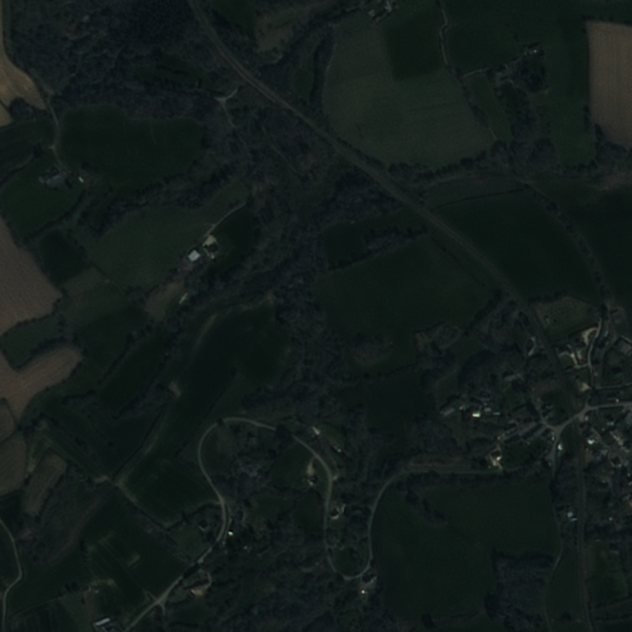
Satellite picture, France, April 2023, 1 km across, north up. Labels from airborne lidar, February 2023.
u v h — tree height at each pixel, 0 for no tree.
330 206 13
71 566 0
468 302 0
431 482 20
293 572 10
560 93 0
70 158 0
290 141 15
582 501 0
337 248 0
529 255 0
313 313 16
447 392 0
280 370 0
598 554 0
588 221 0
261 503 0
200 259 0
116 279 0
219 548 14
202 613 0
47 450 0
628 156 8
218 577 8
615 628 0
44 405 0
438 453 19
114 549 0
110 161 0
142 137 0
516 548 0
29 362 0
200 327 0
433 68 0
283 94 15
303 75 0
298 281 18
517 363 12
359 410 7
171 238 0
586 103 0
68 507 0
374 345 10
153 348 0
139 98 23
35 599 0
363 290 0
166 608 9
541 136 0
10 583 0
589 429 9
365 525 7
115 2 17
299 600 17
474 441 7
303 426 18
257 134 19
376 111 0
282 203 20
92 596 0
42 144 0
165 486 0
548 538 0
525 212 0
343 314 0
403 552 0
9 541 0
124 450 0
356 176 8
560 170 18
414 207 0
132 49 21
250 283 0
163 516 0
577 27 0
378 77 0
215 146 27
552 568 6
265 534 8
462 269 0
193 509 0
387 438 7
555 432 0
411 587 0
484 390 6
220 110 19
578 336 0
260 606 8
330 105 0
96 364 0
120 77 20
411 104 0
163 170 0
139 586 0
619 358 0
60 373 0
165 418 0
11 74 0
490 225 0
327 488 0
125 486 0
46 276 8
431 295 0
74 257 0
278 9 12
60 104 7
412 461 10
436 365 16
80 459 0
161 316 0
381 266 0
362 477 13
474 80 0
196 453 0
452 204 0
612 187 0
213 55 11
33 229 0
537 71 0
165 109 25
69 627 0
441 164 0
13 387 0
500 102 12
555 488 13
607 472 12
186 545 0
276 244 10
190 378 0
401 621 0
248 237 0
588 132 13
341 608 10
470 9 0
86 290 0
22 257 0
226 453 0
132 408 12
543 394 0
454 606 0
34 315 0
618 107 0
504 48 0
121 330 0
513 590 27
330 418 17
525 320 9
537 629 7
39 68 15
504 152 25
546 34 0
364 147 0
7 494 0
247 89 14
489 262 0
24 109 17
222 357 0
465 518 0
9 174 8
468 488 8
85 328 0
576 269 0
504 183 0
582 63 0
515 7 0
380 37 0
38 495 0
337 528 0
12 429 0
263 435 0
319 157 13
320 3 14
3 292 0
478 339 12
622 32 0
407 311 0
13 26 9
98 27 23
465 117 0
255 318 0
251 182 19
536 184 0
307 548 10
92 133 0
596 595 0
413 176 16
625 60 0
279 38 0
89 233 7
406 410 0
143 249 0
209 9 8
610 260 0
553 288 0
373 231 0
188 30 20
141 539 0
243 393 0
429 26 0
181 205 22
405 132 0
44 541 0
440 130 0
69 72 5
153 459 0
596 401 9
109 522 0
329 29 14
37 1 19
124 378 0
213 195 12
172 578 0
